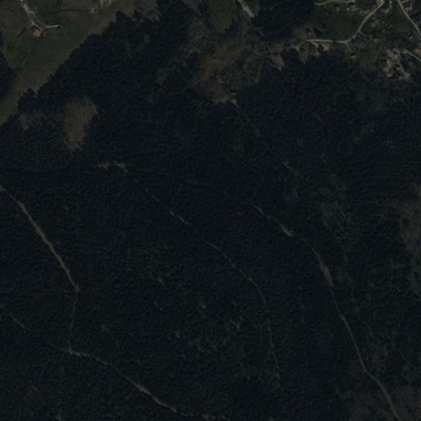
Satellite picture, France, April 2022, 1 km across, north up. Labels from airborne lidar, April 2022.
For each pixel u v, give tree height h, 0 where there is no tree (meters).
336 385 25
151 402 11
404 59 17
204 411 14
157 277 14
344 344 22
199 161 28
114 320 13
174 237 16
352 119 31
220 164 27
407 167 26
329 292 23
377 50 0
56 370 18
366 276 25
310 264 21
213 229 26
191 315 11
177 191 26
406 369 15
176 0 17
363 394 14
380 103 21
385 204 19
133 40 27
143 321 16
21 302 15
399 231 29
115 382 13
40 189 16
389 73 0
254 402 16
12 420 20
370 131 15
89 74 20
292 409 21
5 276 17
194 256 22
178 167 25
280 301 27
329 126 29
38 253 11
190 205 27
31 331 14
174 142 29
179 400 7
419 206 21
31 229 9
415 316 22
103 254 18
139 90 20
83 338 11
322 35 20
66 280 12
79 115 0
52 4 0
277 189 18
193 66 25
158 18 0
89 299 14
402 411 21
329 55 18
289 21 29
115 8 0
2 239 11
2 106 0
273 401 17
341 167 30
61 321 18
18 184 20
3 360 18
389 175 25
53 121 21
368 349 23
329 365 19
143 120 18
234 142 16
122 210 17
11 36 0
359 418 17
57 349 10
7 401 22
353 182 30
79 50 0
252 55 0
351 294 23
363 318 20
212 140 21
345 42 0
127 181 21
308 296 28
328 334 16
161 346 13
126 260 20
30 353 17
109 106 25
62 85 30
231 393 19
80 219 17
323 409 25
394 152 26
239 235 26
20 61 0
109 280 15
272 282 26
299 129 29
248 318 16
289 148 30
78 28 0
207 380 21
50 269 14
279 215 19
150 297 16
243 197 28
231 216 23
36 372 25
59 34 0
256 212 27
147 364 14
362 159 28
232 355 16
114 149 26
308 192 18
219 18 0
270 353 15
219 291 18
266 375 20
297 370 31
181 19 30
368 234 25
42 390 19
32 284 18
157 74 30
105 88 28
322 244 18
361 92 21
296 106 28
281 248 23
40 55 0
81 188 17
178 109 24
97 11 0
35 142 26
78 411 15
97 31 0
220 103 0
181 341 13
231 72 22
